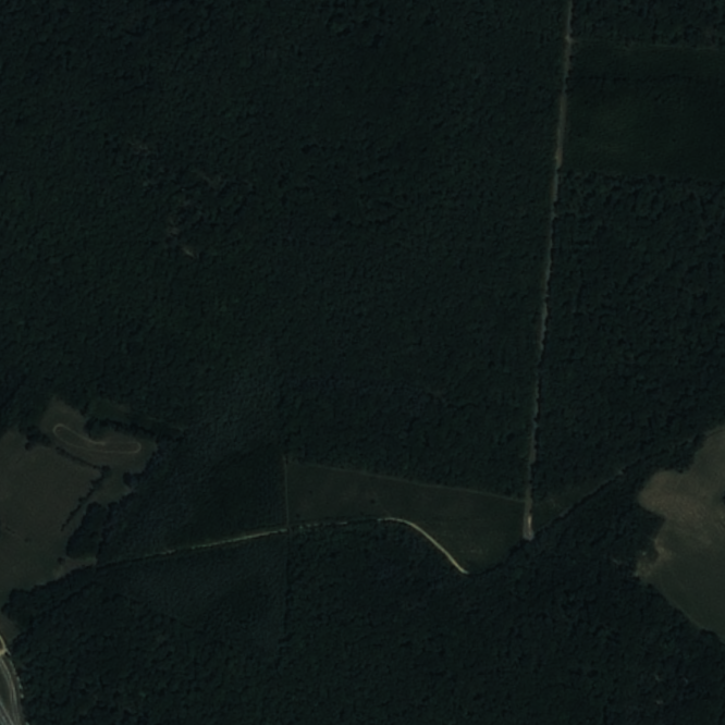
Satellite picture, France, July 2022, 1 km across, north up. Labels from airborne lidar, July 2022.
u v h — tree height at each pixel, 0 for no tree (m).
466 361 21
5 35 18
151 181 17
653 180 19
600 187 19
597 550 20
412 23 21
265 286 8
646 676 22
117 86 19
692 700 21
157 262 10
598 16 12
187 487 14
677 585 0
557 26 15
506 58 14
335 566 16
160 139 15
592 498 9
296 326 15
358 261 14
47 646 17
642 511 20
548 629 20
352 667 14
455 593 21
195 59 15
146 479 18
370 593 17
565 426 17
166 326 11
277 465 8
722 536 0
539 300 16
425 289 17
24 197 8
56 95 14
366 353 17
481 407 22
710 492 0
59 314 17
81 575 18
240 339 11
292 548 7
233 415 11
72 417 0
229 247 15
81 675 20
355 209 20
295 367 14
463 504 0
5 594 0
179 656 16
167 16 19
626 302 19
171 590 12
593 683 19
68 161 8
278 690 14
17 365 10
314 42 17
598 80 15
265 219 18
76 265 9
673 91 8
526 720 13
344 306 11
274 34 17
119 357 19
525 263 18
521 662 15
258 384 11
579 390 16
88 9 21
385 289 13
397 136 17
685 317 19
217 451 15
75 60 18
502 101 16
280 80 18
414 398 16
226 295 11
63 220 11
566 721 21
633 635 22
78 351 20
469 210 15
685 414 13
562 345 17
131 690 16
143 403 23
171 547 9
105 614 21
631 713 24
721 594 0
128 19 21
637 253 19
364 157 18
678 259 19
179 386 16
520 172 16
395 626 20
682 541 0
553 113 15
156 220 14
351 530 7
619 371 19
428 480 13
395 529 13
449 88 18
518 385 17
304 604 16
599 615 28
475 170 15
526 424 15
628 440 16
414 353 15
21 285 16
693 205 21
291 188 20
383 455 15
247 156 16
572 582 21
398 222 15
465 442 19
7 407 19
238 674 13
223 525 7
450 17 19
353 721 14
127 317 13
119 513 21
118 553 14
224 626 13
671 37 13
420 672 18
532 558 24
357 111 15
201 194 21
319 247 13
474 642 23
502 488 19
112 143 17
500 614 20
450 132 17
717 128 6
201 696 17
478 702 16
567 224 16
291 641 15
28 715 11
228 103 15
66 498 0
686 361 20
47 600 17
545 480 18
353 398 20
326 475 0
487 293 16
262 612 8
